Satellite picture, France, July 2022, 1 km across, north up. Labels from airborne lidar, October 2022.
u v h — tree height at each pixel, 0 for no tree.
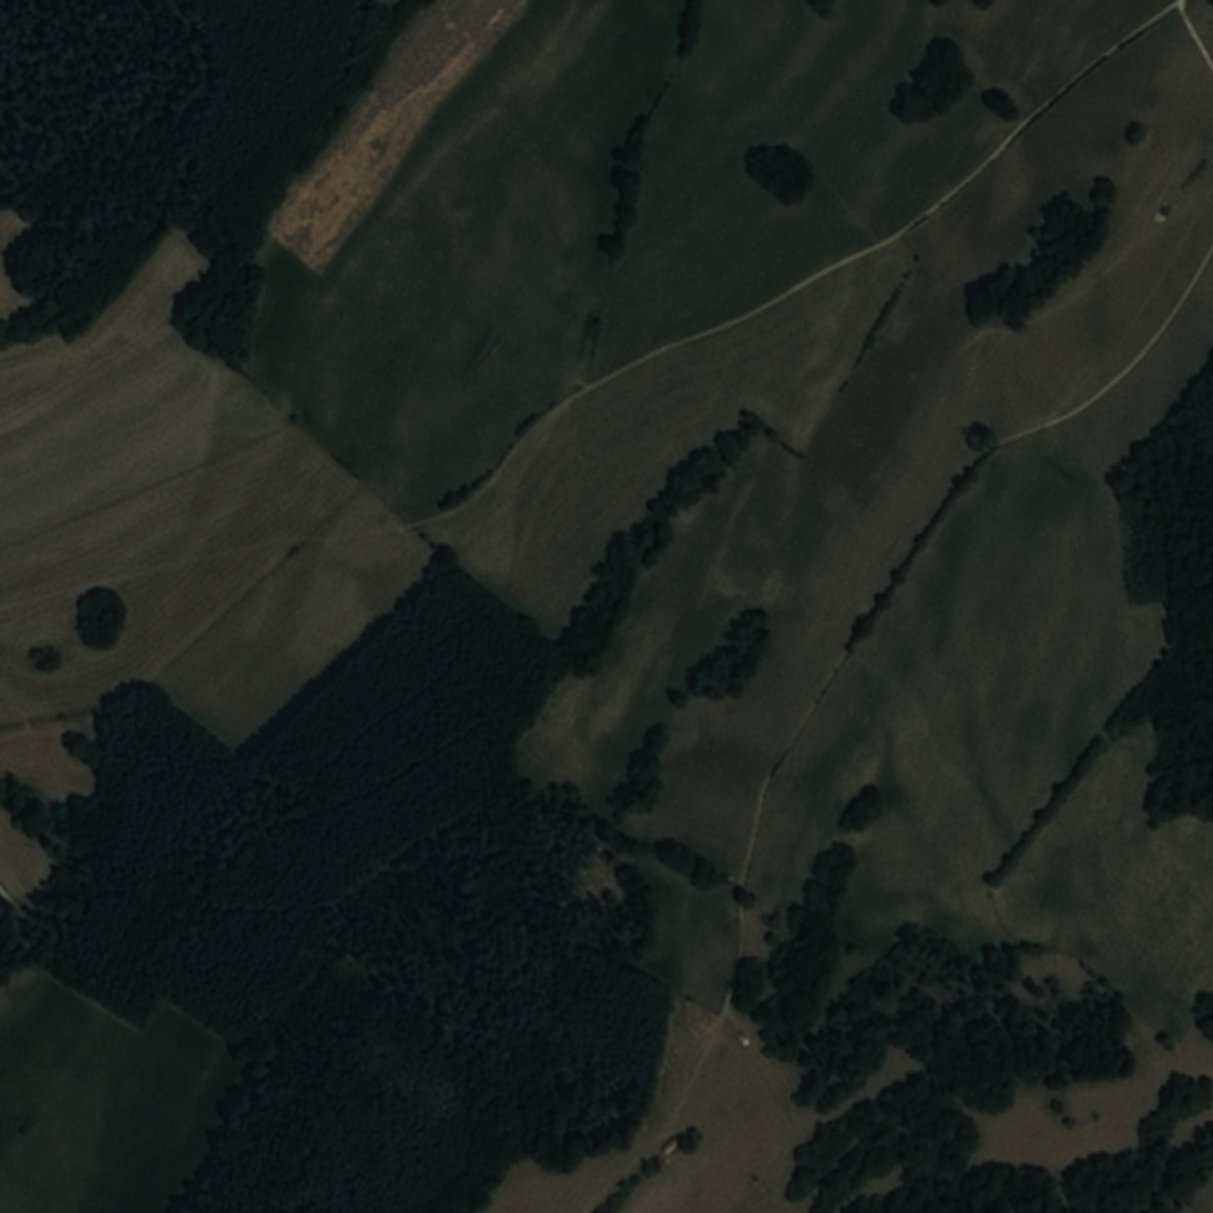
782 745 0
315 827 22
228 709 0
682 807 0
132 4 31
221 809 22
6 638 0
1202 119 0
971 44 0
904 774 0
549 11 0
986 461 7
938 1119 20
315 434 0
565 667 17
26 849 0
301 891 25
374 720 25
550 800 7
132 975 19
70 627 0
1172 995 0
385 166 0
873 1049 21
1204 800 22
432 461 0
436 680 20
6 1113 0
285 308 0
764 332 0
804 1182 16
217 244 25
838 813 0
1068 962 0
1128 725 11
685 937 0
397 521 0
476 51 0
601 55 0
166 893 21
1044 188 0
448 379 0
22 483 0
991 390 0
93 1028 0
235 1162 16
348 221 0
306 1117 19
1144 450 18
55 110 13
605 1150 25
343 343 0
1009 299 22
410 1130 23
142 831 25
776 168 24
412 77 0
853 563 0
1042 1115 0
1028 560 0
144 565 0
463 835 24
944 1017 7
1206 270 0
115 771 22
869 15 0
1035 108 0
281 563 0
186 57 28
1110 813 0
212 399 0
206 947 24
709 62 0
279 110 26
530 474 0
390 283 0
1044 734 0
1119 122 0
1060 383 0
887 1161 16
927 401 0
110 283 19
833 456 0
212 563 0
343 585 0
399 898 15
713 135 0
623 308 0
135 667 0
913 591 0
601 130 0
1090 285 0
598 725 0
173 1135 0
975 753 0
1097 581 0
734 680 21
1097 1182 24
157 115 19
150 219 19
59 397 0
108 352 0
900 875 0
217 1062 0
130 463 0
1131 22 0
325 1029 9
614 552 12
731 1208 0
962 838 0
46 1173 0
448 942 7
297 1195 21
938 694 0
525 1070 30
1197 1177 20
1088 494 0
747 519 0
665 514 16
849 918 0
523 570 0
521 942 39
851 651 9
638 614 0
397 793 22
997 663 0
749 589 0
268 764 23
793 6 0
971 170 0
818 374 0
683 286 0
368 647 18
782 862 0
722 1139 0
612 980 24
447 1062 24
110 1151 0
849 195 0
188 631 0
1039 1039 12
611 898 15
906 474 0
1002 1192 17
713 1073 0
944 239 0
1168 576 7
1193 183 0
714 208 0
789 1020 23
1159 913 0
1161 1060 0
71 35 15
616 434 0
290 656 0
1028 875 0
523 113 0
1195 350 0
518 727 23
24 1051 0
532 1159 21
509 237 0
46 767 0
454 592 22
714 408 0
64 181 19
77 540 0
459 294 0
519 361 0
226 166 28
